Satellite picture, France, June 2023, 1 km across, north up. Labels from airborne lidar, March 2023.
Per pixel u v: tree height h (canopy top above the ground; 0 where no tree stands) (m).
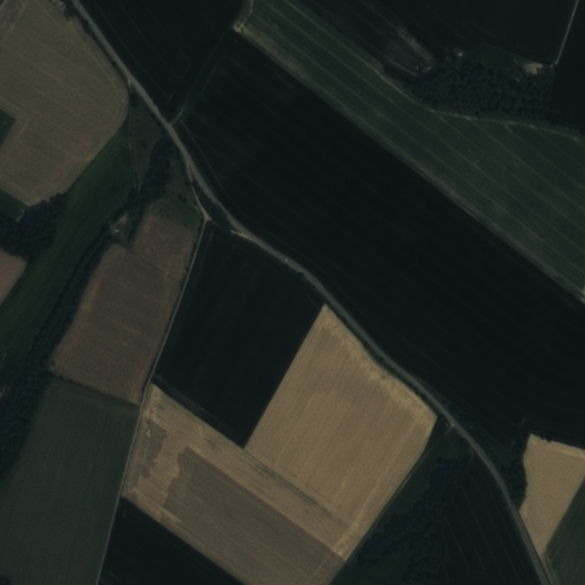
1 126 0
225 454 0
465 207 0
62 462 0
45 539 0
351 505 0
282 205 0
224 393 0
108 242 11
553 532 0
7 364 0
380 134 0
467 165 0
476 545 0
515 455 0
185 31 0
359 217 0
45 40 0
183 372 0
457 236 0
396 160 0
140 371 0
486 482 0
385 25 0
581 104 0
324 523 0
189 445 0
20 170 0
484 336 0
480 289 0
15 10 0
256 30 0
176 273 0
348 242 0
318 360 0
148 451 0
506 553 0
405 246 0
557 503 0
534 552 0
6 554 0
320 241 0
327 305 0
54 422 0
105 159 0
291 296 0
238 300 0
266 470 0
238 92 0
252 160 0
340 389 0
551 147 0
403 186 0
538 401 0
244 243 0
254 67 0
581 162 0
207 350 0
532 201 0
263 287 0
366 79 0
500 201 0
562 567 0
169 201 0
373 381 0
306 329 0
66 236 0
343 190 0
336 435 0
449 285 0
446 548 0
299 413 0
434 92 22
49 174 0
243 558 0
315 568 0
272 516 0
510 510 0
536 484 0
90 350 0
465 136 0
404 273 0
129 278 0
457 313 0
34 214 22
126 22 0
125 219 0
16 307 0
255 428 0
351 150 0
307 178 0
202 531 0
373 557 21
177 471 0
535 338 0
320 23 0
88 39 0
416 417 0
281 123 0
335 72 0
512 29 0
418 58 0
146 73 0
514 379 0
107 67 0
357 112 0
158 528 0
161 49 0
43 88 0
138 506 0
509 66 0
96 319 0
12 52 0
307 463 0
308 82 0
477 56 0
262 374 0
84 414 0
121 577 0
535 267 0
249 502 0
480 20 0
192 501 0
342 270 0
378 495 0
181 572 0
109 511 0
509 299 0
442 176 0
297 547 0
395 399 0
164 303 0
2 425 22
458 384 0
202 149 0
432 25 0
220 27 0
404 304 0
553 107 0
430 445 0
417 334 0
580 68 0
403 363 0
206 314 0
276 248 0
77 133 0
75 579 0
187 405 0
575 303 0
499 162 0
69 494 0
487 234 0
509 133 0
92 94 0
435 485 27
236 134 0
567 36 0
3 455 22
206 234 0
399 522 22
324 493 0
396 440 0
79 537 0
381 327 0
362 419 0
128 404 0
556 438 0
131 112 0
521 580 0
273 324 0
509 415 0
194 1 0
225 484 0
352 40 0
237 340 0
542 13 0
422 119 0
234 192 0
